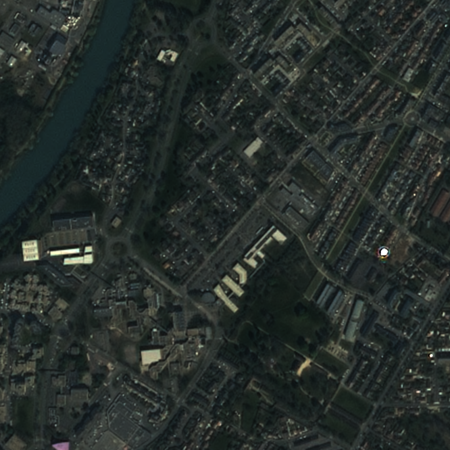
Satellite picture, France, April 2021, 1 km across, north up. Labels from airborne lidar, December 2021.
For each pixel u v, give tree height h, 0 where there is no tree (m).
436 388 0
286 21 0
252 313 12
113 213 0
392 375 6
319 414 8
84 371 11
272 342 12
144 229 0
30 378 0
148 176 17
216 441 0
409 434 15
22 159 0
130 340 0
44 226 0
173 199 0
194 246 0
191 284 9
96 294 0
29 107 34
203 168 13
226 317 0
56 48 0
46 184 12
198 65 0
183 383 19
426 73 0
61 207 0
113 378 0
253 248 0
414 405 0
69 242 0
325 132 0
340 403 0
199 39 0
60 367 6
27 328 0
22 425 0
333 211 0
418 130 0
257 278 15
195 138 10
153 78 0
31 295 0
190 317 0
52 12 0
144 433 0
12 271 0
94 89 0
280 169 11
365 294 7
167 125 22
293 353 0
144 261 0
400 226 0
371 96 0
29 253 0
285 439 0
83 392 0
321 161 0
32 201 14
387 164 0
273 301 0
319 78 0
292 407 14
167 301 0
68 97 0
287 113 0
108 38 0
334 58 0
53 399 0
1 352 0
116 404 0
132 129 0
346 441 14
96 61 0
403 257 0
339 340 0
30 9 7
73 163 11
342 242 0
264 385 13
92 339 0
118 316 0
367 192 0
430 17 0
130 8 0
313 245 0
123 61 6
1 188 0
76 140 18
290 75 0
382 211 0
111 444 0
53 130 0
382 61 0
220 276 9
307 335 0
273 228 0
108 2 0
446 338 0
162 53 0
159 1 0
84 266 6
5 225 14
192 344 0
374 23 0
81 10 0
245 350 12
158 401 0
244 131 0
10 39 0
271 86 0
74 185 0
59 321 12
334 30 0
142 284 19
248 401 0
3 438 0
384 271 0
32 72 0
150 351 0
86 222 0
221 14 7
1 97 8
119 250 0
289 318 0
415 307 0
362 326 0
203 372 11
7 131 22
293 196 0
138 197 0
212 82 13
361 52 0
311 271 0
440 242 0
